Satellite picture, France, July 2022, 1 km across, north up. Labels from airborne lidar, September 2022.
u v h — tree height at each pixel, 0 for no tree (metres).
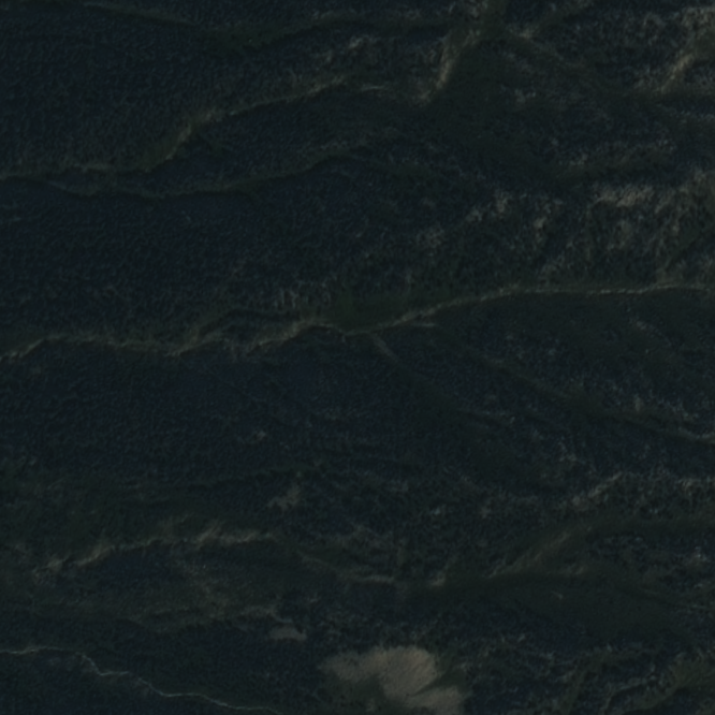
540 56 0
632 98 0
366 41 7
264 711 0
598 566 0
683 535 0
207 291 13
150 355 0
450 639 8
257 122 14
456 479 14
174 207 13
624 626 0
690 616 0
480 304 0
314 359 7
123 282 16
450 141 8
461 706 0
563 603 0
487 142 0
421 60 7
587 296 0
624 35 6
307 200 13
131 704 12
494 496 10
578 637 13
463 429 10
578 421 0
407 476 7
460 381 12
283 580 0
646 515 10
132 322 14
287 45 17
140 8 6
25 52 37
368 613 8
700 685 0
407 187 0
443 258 7
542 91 0
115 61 26
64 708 7
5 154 18
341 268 11
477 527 8
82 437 11
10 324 10
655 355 0
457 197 10
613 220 8
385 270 10
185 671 6
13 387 7
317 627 9
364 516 8
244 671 8
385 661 0
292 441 13
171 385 6
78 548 0
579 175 0
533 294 0
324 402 7
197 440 19
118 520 0
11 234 15
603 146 8
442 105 0
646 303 0
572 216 14
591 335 0
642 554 10
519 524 12
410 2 8
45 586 0
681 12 10
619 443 9
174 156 0
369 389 11
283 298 6
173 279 10
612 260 11
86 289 17
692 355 7
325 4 7
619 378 9
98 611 0
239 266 11
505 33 0
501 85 7
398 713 0
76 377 21
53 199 13
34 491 0
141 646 7
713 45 0
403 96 0
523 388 8
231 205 8
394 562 6
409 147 10
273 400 14
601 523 0
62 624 12
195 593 0
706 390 0
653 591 0
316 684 8
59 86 22
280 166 11
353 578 0
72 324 16
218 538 0
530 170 0
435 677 0
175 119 9
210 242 12
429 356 10
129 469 7
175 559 0
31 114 22
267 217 16
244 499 12
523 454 7
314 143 8
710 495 9
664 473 8
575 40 7
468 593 0
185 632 10
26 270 24
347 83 0
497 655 8
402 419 11
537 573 0
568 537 0
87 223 24
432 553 6
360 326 0
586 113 8
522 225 12
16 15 20
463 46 0
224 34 0
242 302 14
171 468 11
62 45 20
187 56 18
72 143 10
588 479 10
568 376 10
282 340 0
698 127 0
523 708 10
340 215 10
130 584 9
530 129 6
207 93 17
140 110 12
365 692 0
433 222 9
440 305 0
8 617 6
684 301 0
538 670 8
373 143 7
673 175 12
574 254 16
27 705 10
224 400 13
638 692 10
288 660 15
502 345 9
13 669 9
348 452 7
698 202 8
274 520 7
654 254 9
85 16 21
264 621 6
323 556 0
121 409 13
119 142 9
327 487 7
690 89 0
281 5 13
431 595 0
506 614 8
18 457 7
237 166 13
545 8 9
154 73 7
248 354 0
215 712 8
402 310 0
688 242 0
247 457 9
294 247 6
